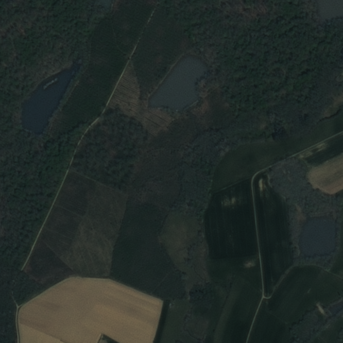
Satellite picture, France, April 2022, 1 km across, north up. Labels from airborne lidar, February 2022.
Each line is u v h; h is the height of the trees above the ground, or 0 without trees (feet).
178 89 0
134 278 20
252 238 0
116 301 0
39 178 88
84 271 0
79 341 0
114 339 0
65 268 0
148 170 19
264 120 0
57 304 0
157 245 23
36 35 82
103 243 0
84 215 0
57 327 0
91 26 94
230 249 0
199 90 56
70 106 24
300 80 73
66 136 73
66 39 75
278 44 85
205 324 0
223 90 77
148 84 40
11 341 57
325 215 0
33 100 0
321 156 0
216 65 80
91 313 0
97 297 0
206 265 0
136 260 25
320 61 78
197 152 75
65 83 0
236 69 83
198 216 45
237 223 0
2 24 79
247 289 0
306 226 0
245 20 94
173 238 0
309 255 0
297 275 0
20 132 29
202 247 0
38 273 0
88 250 0
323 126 0
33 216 79
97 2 49
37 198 88
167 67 33
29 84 70
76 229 0
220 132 54
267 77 94
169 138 17
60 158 74
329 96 64
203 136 73
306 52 89
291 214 52
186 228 0
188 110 21
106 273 0
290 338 0
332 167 0
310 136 0
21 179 89
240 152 0
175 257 0
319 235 0
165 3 72
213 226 0
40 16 81
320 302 0
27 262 0
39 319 0
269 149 0
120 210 0
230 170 0
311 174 0
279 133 70
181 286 26
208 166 85
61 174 81
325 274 0
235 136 20
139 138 93
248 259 0
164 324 0
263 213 0
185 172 65
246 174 0
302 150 0
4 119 72
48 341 0
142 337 0
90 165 84
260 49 92
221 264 0
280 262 0
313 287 0
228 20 76
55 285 0
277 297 0
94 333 0
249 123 75
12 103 75
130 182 81
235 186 0
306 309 0
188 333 0
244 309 0
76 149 81
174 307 0
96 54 18
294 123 59
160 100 0
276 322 0
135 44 24
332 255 36
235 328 0
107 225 0
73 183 0
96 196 0
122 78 0
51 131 26
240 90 86
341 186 0
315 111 46
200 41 75
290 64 91
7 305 48
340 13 0
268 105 75
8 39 83
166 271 21
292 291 0
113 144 81
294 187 17
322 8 0
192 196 77
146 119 0
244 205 0
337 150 0
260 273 0
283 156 0
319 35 89
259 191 0
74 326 0
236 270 0
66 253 0
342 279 0
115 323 0
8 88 83
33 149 86
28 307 0
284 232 0
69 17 86
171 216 0
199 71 0
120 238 20
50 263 0
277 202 0
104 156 87
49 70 72
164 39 39
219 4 68
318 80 73
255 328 0
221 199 0
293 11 75
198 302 29
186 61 0
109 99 0
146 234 20
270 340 0
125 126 76
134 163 101
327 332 0
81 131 72
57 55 84
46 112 0
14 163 67
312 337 65
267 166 0
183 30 55
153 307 0
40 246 0
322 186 0
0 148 79
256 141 57
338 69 65
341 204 49
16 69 73
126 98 0
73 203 0
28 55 86
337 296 0
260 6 98
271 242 0
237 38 94
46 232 0
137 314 0
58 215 0
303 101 36
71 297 0
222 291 0
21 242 84
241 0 95
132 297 0
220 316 0
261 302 0
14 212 94
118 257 23
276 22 62
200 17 86
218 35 74
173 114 45
